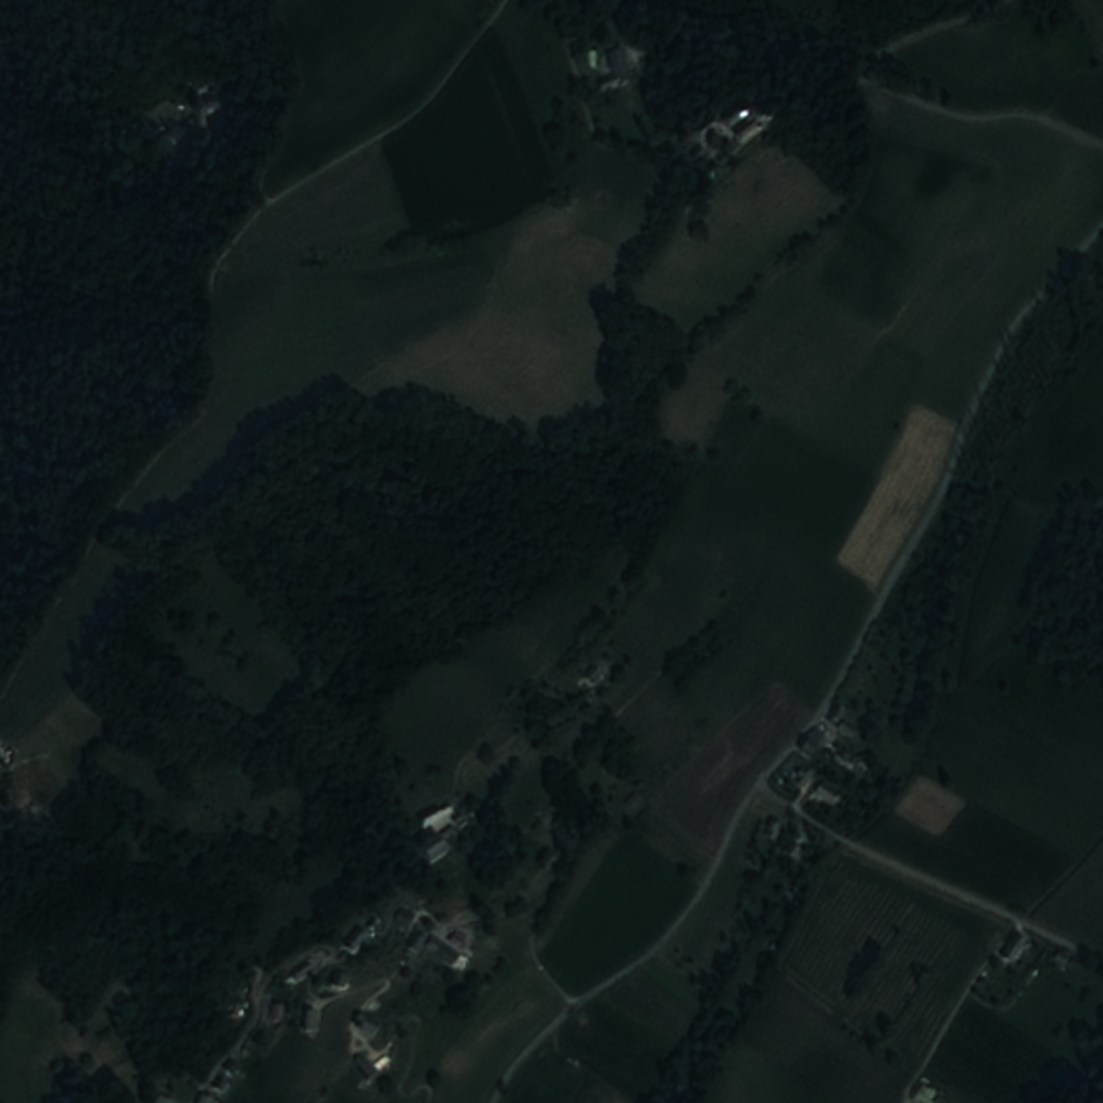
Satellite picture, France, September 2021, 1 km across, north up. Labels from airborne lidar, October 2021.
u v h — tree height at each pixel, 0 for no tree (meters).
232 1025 13
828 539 0
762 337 0
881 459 0
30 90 37
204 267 21
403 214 0
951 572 13
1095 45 0
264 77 24
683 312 0
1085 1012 0
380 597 20
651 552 24
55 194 18
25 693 0
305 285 0
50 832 24
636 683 0
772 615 0
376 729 24
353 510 29
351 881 18
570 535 26
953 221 0
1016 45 0
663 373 17
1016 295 0
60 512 21
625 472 25
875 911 0
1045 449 0
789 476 0
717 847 0
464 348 0
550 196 6
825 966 0
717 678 0
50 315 24
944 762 0
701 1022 12
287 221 0
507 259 0
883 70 20
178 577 14
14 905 29
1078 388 0
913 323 0
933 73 0
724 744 0
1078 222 0
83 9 17
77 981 19
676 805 0
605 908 0
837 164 24
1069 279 15
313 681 28
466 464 30
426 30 0
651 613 0
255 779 16
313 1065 0
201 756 25
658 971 0
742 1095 0
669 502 27
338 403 23
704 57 25
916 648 9
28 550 24
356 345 0
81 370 32
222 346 0
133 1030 21
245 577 24
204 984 29
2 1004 20
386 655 26
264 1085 0
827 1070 0
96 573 0
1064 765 0
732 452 0
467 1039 0
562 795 18
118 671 20
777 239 0
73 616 0
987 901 0
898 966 0
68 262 24
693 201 17
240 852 26
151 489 0
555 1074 0
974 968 0
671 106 26
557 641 0
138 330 30
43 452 29
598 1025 0
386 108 0
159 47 19
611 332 22
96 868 24
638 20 23
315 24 0
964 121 0
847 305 0
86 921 24
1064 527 11
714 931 0
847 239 0
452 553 28
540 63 0
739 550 0
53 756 0
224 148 19
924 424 0
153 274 27
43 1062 0
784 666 0
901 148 0
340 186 0
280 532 21
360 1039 0
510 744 0
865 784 6
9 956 20
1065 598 25
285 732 26
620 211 0
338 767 24
